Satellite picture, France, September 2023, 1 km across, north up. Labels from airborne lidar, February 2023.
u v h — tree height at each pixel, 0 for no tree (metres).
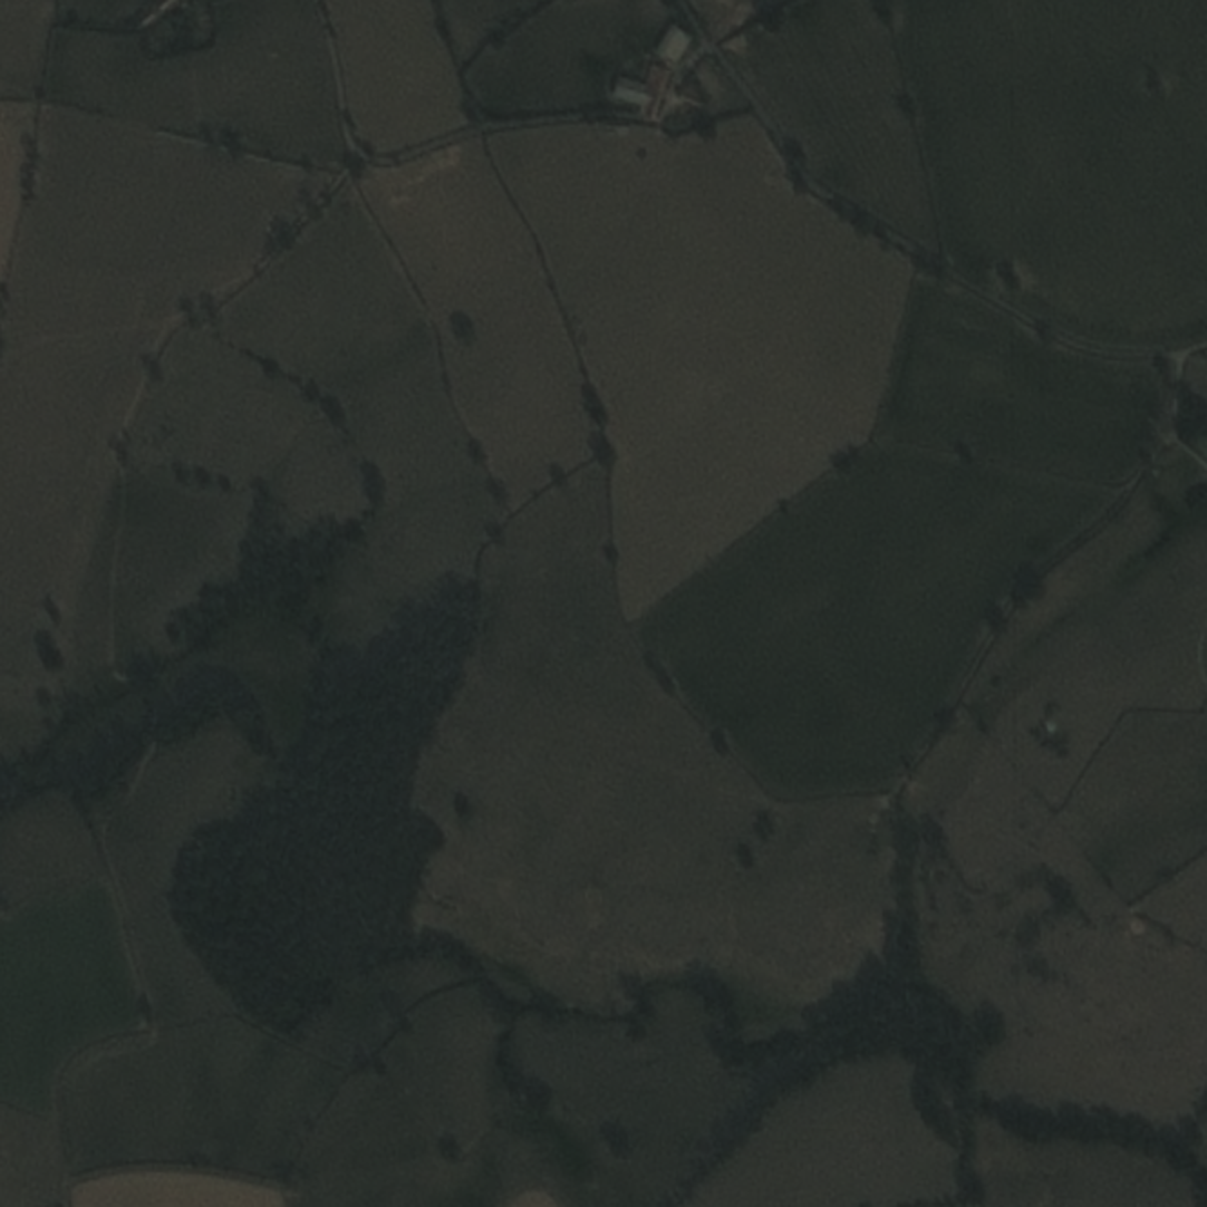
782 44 0
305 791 23
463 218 0
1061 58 0
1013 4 0
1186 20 0
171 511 0
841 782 0
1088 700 0
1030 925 0
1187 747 0
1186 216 0
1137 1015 0
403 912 21
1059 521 0
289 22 0
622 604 0
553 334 0
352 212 0
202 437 0
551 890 0
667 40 0
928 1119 20
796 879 0
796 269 0
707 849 0
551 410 0
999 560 0
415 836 16
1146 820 0
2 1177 0
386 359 0
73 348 0
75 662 0
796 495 0
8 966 0
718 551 0
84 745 0
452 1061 0
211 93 0
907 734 0
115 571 0
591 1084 0
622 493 0
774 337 0
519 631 0
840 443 0
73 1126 0
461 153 0
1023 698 0
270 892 19
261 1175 0
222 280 0
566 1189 0
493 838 0
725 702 0
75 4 0
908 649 0
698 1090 0
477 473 0
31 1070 0
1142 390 0
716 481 0
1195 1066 0
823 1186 0
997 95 0
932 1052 14
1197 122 0
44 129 0
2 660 0
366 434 0
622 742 0
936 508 0
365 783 18
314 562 20
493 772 0
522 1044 0
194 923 12
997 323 0
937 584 0
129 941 0
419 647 24
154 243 0
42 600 0
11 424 0
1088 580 0
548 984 0
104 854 0
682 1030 0
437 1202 0
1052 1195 0
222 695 16
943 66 0
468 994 0
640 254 0
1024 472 0
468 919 0
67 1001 0
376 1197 0
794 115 0
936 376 0
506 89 0
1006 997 0
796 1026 0
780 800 0
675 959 0
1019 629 0
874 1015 16
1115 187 0
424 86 0
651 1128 0
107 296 0
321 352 0
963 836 0
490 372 0
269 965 24
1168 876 12
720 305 0
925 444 0
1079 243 0
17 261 0
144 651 0
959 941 0
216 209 0
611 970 0
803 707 0
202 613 12
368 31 0
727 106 0
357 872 18
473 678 0
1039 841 0
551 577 0
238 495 0
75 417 0
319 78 0
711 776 0
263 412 0
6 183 0
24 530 0
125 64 0
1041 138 0
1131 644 0
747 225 0
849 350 0
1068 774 0
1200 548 0
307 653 0
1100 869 0
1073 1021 0
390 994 0
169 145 0
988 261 0
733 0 0
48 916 0
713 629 0
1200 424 19
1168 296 0
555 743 0
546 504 0
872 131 0
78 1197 0
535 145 0
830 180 0
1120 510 0
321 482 0
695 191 0
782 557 0
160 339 0
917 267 11
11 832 0
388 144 0
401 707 20
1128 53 0
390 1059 0
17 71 0
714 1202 0
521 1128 0
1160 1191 0
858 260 0
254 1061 0
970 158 0
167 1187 0
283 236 17
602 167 0
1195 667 0
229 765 0
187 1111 0
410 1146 0
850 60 0
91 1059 0
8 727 0
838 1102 0
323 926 19
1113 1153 0
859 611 0
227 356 0
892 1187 0
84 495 0
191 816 0
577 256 0
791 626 0
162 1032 0
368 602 0
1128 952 0
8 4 0
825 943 0
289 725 0
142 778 0
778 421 0
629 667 0
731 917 0
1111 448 0
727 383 0
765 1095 15
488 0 0
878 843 0
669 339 0
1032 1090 0
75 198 0
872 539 0
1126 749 0
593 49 0
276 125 0
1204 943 0
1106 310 0
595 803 0
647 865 0
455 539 0
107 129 0
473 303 0
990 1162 0
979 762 0
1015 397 0
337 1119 0
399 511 0
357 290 0
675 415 0
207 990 0
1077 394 0
